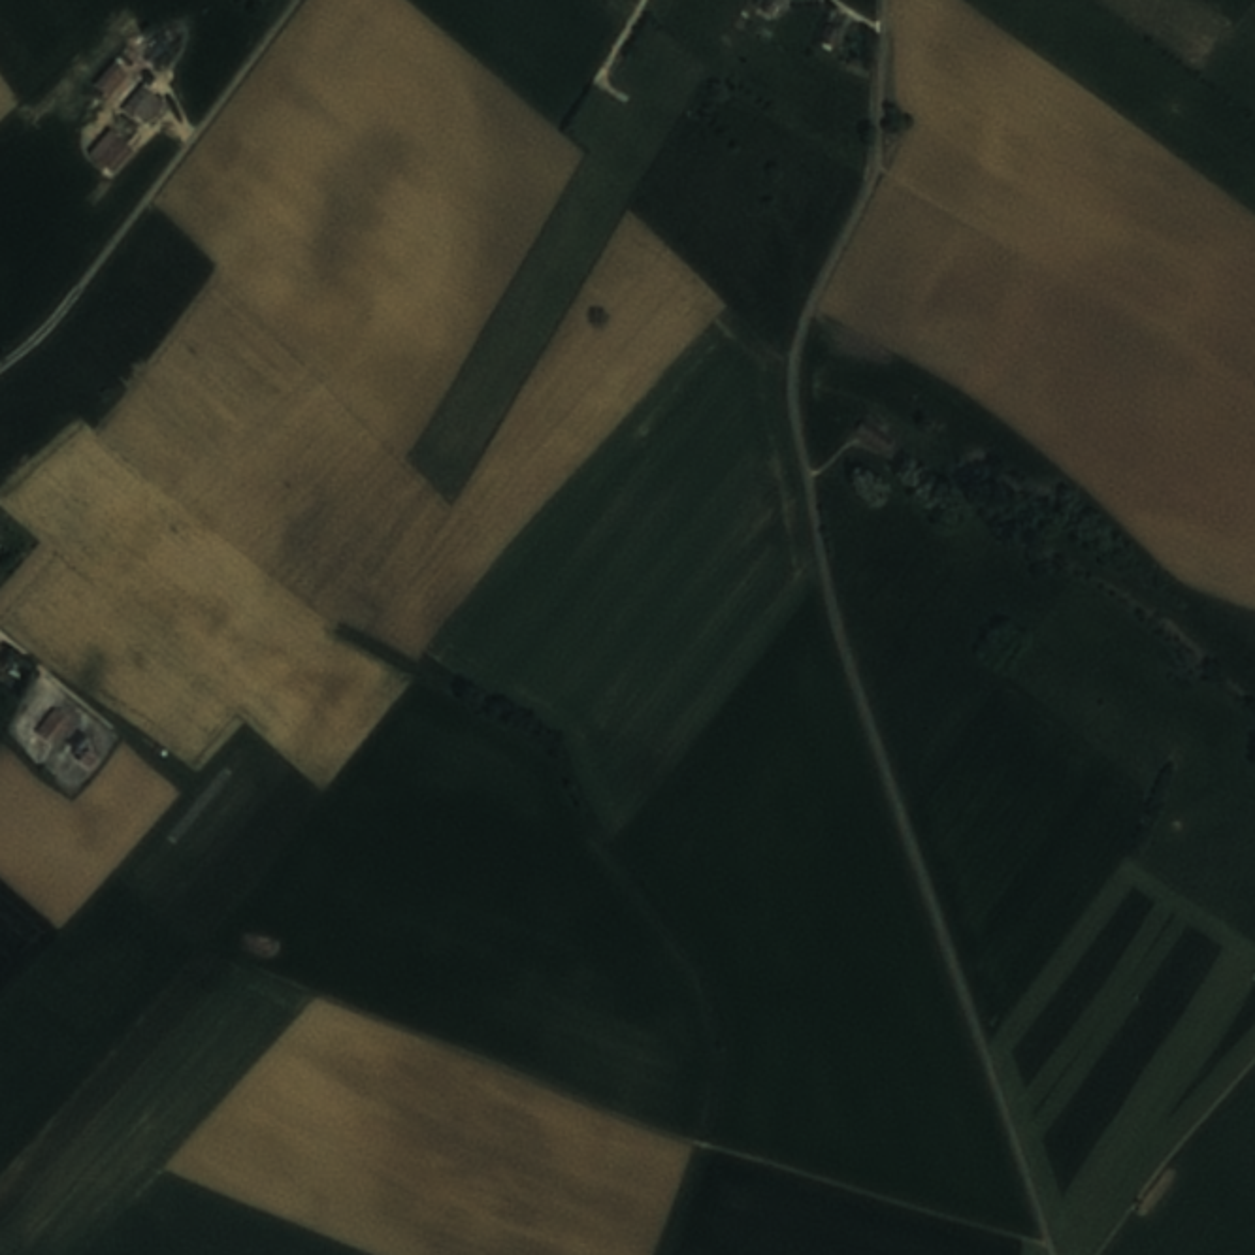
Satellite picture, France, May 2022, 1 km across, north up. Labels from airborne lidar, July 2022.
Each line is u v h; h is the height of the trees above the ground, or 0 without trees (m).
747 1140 0
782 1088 0
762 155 0
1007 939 0
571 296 0
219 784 0
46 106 0
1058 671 0
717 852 0
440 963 0
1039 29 0
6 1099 0
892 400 0
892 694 0
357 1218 0
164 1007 0
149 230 0
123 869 0
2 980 0
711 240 0
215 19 0
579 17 0
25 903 0
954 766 0
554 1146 0
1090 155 0
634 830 0
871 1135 0
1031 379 0
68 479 0
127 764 0
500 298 0
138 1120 0
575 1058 0
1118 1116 0
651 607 0
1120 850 0
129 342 0
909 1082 0
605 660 0
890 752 0
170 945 0
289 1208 0
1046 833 0
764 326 0
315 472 0
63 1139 0
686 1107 0
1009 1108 0
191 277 0
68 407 0
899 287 0
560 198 0
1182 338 0
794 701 0
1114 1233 0
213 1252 0
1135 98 0
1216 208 0
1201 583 0
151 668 0
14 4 0
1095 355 0
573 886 0
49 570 0
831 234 0
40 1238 0
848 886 0
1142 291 0
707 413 0
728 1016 0
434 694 0
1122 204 0
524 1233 0
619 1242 0
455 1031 0
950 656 0
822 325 0
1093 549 15
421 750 0
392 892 0
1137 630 0
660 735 0
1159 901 0
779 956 0
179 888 0
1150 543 0
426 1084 0
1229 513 0
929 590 0
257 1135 0
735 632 0
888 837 0
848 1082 0
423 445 0
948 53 0
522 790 0
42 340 0
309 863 0
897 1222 0
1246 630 0
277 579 0
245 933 0
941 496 21
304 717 0
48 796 0
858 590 0
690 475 0
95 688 0
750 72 0
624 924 0
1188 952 0
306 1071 0
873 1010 0
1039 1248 0
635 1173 0
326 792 0
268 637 0
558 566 0
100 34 0
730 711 0
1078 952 0
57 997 0
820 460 0
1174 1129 0
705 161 0
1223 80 0
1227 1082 0
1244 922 0
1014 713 0
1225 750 0
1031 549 30
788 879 0
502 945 0
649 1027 0
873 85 0
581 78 0
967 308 0
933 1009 0
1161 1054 0
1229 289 0
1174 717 0
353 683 0
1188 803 0
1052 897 0
